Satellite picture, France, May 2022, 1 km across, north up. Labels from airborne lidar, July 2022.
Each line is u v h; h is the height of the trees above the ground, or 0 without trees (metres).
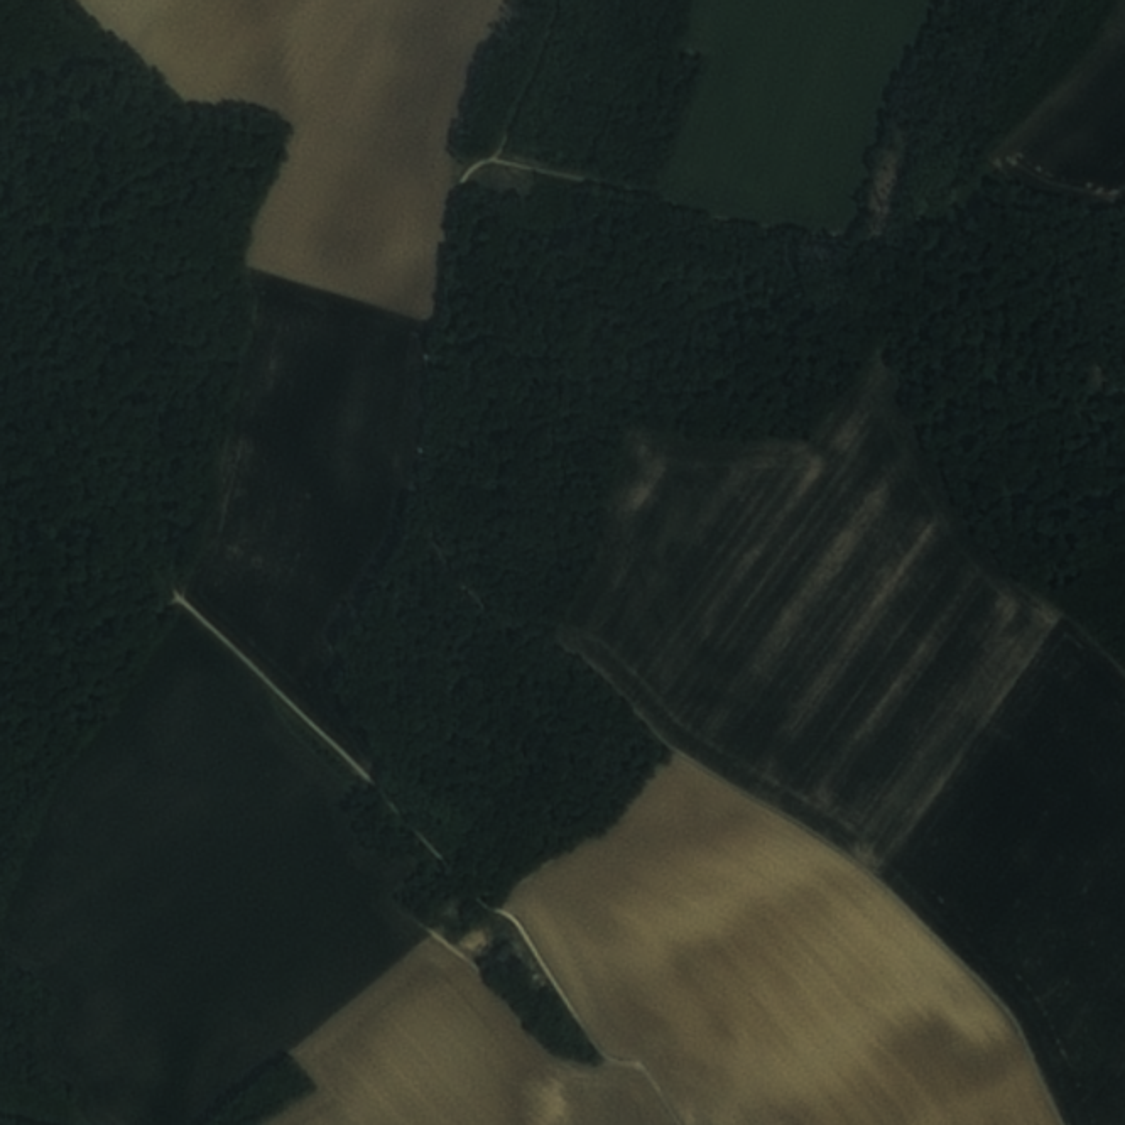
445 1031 0
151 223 22
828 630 0
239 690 0
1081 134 0
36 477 27
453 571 19
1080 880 0
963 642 0
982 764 0
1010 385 21
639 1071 0
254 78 0
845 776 0
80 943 0
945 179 24
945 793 0
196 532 22
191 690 0
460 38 0
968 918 0
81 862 0
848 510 0
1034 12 14
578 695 18
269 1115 15
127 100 24
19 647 27
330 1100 0
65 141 22
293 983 0
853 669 0
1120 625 15
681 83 9
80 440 26
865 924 0
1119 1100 0
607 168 15
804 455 0
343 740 0
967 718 0
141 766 0
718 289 20
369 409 0
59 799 0
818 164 0
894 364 21
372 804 24
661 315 20
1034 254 23
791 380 25
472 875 20
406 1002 0
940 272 29
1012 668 0
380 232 0
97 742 0
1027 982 0
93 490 24
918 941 0
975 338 21
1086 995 0
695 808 0
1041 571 24
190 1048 0
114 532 25
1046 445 29
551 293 22
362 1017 0
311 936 0
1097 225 20
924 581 0
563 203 9
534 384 11
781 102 0
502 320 25
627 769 18
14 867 26
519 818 22
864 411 0
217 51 0
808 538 0
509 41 16
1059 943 0
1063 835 0
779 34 0
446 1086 0
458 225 19
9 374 24
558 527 21
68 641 25
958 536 0
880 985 0
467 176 0
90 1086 0
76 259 25
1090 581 16
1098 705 0
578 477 16
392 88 0
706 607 0
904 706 0
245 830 0
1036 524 30
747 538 0
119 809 0
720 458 0
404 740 18
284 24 0
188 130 25
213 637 0
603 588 0
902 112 17
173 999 0
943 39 15
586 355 20
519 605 19
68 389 25
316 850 0
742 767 0
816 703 0
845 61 0
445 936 0
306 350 0
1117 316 16
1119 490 27
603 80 15
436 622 23
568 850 17
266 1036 0
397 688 20
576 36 12
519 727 23
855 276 28
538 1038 14
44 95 23
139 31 0
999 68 16
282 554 0
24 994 18
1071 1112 0
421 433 11
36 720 23
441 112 0
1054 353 23
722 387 20
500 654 21
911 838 0
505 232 22
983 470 26
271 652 0
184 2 0
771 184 0
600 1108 0
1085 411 9
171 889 0
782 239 18
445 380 16
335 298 0
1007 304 26
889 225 22
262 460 0
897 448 0
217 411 21
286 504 0
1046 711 0
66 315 22
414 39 0
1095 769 0
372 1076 0
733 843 0
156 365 28
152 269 21
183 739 0
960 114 16
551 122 12
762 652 0
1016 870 0
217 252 24
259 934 0
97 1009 0
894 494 0
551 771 22
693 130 0
